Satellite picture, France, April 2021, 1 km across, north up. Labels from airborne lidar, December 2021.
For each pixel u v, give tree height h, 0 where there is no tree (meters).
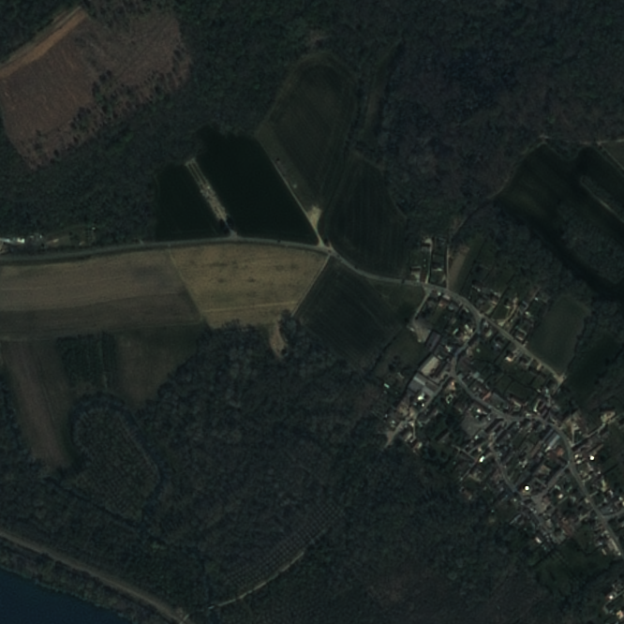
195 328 0
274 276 0
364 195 0
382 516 32
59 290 0
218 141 0
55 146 0
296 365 18
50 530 10
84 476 32
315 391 33
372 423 17
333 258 0
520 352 0
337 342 0
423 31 22
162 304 0
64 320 0
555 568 0
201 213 0
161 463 24
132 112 22
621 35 22
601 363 0
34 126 0
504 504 9
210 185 0
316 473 30
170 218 0
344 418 23
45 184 17
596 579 14
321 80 0
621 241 0
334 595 21
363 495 25
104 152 16
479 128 7
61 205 15
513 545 7
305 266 0
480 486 13
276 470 19
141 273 0
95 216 16
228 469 18
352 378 19
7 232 18
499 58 29
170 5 16
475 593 18
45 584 19
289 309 0
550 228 0
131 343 0
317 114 0
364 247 0
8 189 15
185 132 21
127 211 21
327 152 0
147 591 7
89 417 30
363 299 0
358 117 7
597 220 0
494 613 7
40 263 0
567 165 0
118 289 0
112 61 0
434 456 25
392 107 21
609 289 0
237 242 0
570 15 30
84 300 0
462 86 23
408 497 28
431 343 0
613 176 0
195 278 0
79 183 20
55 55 0
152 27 0
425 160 34
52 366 0
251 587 12
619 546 0
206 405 19
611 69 26
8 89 0
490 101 21
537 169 0
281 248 0
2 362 0
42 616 0
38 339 0
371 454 10
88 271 0
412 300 0
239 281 0
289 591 8
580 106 26
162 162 26
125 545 10
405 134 21
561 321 0
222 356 10
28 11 17
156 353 0
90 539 15
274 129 0
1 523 7
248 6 20
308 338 27
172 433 22
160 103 15
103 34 0
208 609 22
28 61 0
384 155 24
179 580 22
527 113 7
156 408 13
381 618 13
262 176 0
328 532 12
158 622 21
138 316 0
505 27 22
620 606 0
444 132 27
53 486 16
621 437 0
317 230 0
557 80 31
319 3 21
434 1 24
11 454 9
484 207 22
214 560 29
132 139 22
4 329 0
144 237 15
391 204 0
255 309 0
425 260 0
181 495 20
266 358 7
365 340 0
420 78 23
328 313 0
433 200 19
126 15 14
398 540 33
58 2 15
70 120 0
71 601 0
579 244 11
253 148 0
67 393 0
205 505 25
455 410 6
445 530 29
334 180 0
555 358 0
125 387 0
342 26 27
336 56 15
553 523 6
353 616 17
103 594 22
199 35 23
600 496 5
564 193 0
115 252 0
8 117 0
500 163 21
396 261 0
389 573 8
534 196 0
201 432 32
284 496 14
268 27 25
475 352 0
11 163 16
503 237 15
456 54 24
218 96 19
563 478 0
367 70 19
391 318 0
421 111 25
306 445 35
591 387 0
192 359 7
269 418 17
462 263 0
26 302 0
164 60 0
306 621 15
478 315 0
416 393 0
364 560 31
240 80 25
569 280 20
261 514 18
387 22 35
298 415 17
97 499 14
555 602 7
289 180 0
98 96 20
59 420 0
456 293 0
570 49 32
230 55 27
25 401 0
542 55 27
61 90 0
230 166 0
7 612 0
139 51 0
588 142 14
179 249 0
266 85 25
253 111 26
